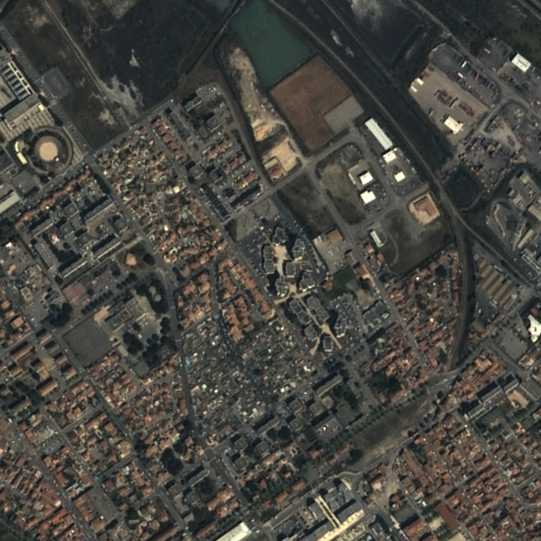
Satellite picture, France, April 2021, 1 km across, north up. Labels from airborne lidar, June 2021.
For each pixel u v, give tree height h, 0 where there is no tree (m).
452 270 0
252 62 0
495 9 0
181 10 0
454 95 0
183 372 0
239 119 0
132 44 0
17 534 13
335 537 0
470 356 9
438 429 0
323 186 0
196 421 0
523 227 0
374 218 0
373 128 0
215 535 10
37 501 0
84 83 0
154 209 0
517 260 0
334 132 0
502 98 0
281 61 0
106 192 8
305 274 0
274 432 12
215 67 0
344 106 0
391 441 0
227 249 0
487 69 0
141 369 0
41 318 0
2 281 0
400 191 0
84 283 0
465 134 0
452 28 7
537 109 0
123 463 0
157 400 0
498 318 0
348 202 0
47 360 0
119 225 0
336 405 7
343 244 0
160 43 7
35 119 0
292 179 0
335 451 14
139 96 0
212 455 0
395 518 0
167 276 0
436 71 0
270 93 0
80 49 0
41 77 0
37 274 0
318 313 0
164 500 0
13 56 7
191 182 12
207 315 0
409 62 0
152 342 7
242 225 0
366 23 0
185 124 0
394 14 0
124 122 0
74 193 6
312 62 0
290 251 0
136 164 0
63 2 0
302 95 0
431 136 0
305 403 6
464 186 0
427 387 12
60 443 0
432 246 0
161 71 0
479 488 0
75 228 8
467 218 8
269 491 12
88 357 0
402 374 0
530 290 0
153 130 0
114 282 0
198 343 0
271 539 0
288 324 0
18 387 10
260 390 0
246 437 6
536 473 0
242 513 12
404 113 0
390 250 0
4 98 0
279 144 0
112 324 0
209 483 12
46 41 0
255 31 0
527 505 0
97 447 0
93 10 0
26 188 0
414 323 0
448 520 0
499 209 0
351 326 0
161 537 0
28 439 9
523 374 0
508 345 0
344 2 0
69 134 0
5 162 0
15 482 0
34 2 0
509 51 0
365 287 10
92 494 0
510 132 0
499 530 0
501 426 11
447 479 0
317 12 0
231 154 0
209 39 0
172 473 9
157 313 8
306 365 0
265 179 0
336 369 7
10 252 0
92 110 0
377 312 0
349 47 0
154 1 0
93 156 0
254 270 0
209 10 0
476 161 0
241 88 0
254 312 0
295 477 14
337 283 0
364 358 0
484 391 0
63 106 0
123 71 0
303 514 0
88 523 10
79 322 0
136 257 15
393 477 0
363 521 0
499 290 0
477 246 0
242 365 0
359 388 10
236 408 0
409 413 0
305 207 0
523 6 0
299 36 0
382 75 0
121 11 0
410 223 0
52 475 8
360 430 13
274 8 0
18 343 0
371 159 0
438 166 0
